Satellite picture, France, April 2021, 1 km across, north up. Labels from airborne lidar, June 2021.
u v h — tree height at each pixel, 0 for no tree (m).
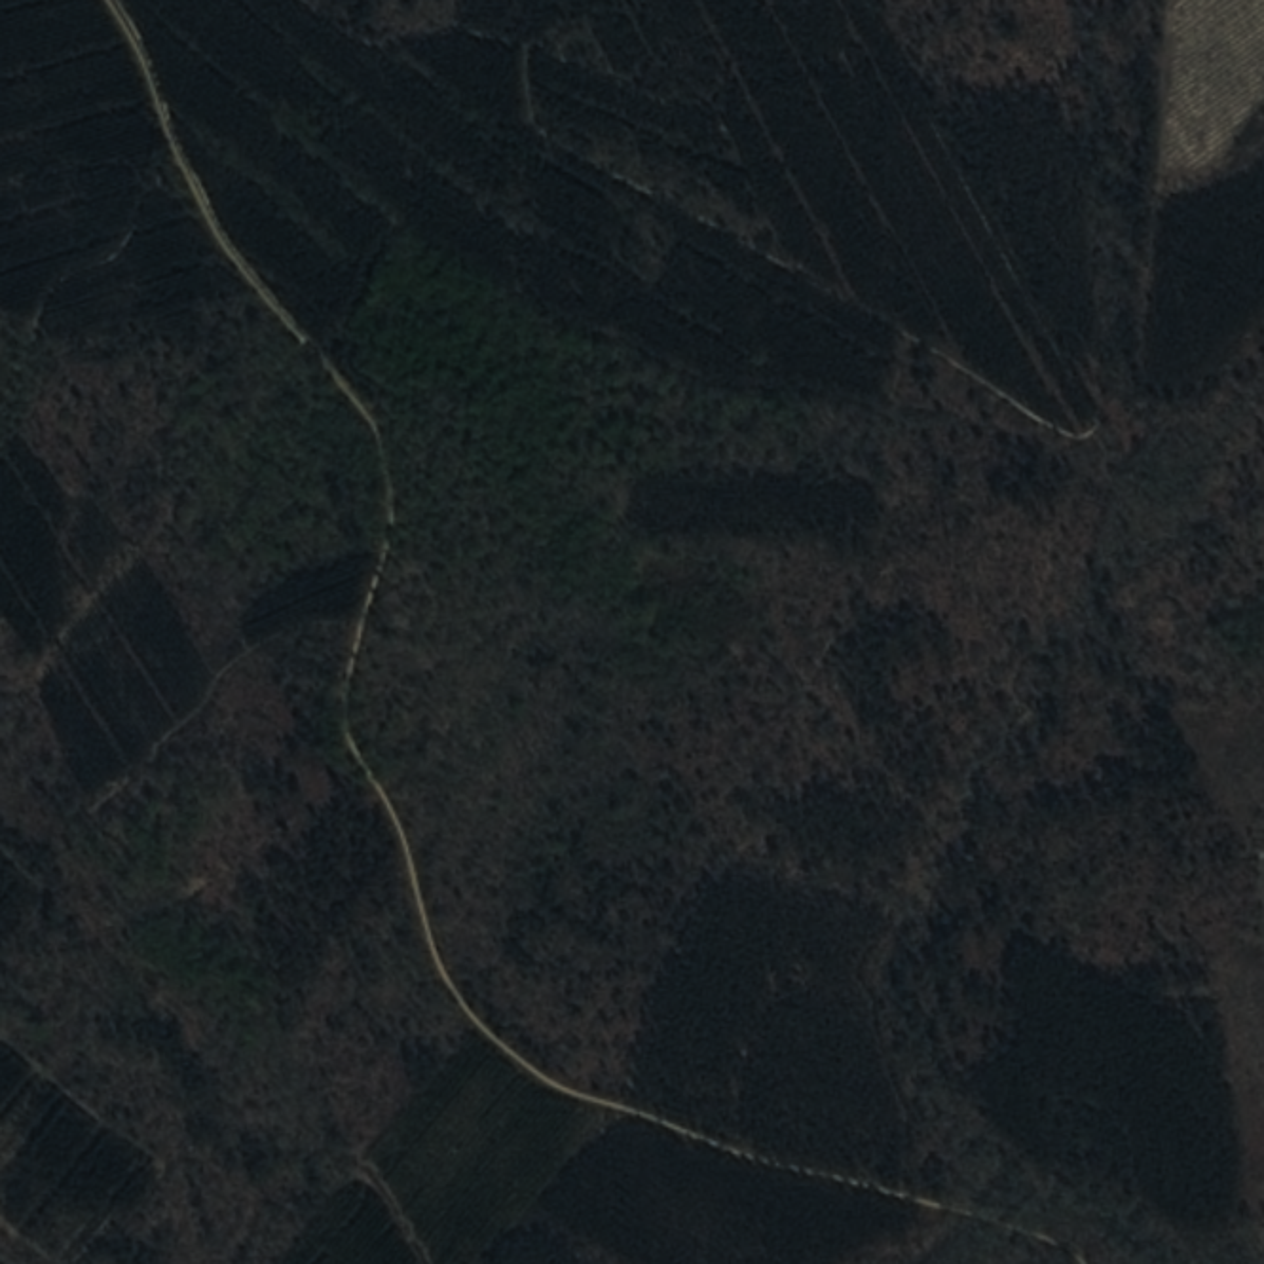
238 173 11
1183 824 9
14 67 7
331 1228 7
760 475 11
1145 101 17
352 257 14
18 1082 10
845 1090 18
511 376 15
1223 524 13
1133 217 20
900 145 9
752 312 12
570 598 13
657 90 14
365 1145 11
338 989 9
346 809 17
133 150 9
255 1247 14
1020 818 8
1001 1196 10
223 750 9
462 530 8
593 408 20
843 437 16
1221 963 10
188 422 12
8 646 7
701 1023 17
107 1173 10
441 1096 7
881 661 24
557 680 7
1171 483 20
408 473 9
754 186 12
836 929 20
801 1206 14
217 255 7
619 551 15
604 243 12
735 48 11
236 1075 15
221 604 9
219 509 14
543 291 13
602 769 11
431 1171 6
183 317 9
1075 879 8
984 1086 20
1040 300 14
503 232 14
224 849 9
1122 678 23
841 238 12
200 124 10
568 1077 15
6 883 10
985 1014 18
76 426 11
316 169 11
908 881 19
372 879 15
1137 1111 19
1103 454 14
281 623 10
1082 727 6
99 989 14
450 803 9
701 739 8
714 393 17
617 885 11
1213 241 10
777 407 17
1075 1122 18
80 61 7
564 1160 7
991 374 11
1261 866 12
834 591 8
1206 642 13
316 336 11
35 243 10
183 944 15
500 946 7
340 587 10
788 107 9
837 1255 13
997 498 12
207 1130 18
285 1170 16
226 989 22
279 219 15
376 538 12
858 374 13
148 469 6
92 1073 19
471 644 12
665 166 8
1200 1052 19
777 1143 16
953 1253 17
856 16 12
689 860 10
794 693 18
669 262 11
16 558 12
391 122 10
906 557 8
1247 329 10
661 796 7
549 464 11
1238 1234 13
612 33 9
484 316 18
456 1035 6
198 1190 15
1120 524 17
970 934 16
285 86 13
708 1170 12
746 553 12
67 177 8
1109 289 16
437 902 8
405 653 0
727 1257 10
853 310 10
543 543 12
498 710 9
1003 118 19
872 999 15
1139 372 18
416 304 13
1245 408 14
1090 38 9
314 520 20
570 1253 17
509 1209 8
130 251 6
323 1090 7
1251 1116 0
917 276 10
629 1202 13
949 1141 8
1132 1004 19
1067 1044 18
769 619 9
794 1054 20
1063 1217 16
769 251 15
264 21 10
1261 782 0
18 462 11
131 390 7
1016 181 19
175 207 9
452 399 12
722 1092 13
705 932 16
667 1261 12
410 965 13
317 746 15
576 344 18
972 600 13
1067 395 12
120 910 14
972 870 21
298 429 16
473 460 16
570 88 10
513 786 9
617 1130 11
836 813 25
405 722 11
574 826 10
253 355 10
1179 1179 16
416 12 12
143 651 8
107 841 19
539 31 11
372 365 15
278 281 9
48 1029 21
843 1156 17
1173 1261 22
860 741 18
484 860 10
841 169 11
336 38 12
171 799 16
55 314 11
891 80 11
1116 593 16
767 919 19
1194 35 0
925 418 8
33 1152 9
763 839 11
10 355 6
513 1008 7
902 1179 18
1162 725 22
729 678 8
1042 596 13
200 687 9
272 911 18
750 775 11
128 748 10
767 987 19
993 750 17
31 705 10
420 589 10
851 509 11
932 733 26
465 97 14
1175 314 8
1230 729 0
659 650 13
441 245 13
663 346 15
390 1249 11
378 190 11
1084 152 22
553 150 12
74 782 6
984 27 13
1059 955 14
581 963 6
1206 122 0
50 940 13
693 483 10
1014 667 12
